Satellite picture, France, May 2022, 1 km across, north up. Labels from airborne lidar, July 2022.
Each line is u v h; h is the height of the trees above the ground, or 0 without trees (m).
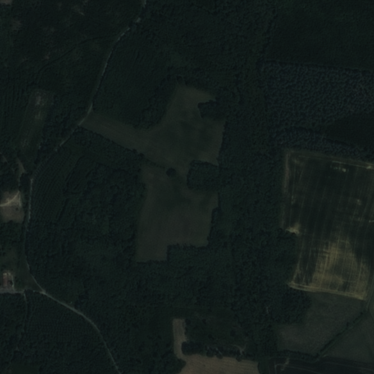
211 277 23
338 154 26
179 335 0
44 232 19
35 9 11
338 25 18
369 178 0
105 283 24
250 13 21
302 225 0
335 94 33
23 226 6
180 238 0
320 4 17
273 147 20
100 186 24
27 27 6
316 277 0
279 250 27
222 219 22
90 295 27
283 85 36
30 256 23
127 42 16
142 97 17
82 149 9
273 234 28
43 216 22
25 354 18
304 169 0
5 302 21
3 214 0
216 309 23
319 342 0
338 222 0
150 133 0
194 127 0
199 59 8
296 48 18
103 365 20
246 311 29
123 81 16
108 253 23
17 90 10
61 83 7
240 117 26
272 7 12
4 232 8
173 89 18
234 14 23
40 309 11
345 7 17
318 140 31
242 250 29
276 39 21
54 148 8
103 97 18
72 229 24
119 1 6
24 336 20
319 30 19
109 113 16
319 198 0
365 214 0
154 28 8
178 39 22
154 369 24
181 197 0
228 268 24
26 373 0
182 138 0
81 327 24
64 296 23
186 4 19
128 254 19
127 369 23
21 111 12
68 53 7
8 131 15
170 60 26
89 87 10
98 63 8
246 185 26
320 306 0
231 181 35
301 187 0
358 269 0
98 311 26
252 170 22
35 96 0
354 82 27
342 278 0
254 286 7
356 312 0
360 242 0
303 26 18
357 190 0
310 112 31
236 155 24
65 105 15
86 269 19
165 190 0
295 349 0
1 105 21
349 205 0
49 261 26
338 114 33
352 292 0
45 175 22
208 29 22
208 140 0
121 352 22
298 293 9
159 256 0
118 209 26
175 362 24
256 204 38
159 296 18
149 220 0
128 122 14
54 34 9
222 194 21
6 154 19
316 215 0
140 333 7
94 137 21
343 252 0
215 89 21
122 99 17
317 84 32
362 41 18
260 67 29
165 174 0
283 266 25
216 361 0
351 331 0
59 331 23
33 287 0
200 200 0
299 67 30
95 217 22
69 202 16
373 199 0
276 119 29
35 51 7
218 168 12
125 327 16
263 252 26
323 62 20
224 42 27
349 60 19
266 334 9
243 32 22
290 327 0
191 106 0
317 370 0
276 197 24
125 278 21
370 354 0
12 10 10
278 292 19
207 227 0
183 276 24
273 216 28
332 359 0
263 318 19
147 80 15
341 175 0
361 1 17
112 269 20
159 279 28
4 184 19
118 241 24
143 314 6
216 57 26
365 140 13
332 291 0
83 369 26
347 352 0
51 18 10
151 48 17
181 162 0
